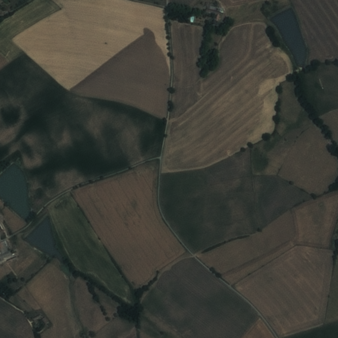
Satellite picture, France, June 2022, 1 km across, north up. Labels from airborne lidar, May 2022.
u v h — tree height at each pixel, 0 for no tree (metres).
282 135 0
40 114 0
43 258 0
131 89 0
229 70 0
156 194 0
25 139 0
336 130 0
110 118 0
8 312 0
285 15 0
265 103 0
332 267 0
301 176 0
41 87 0
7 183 0
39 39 0
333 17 0
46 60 0
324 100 0
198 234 0
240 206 0
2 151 0
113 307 0
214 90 0
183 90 0
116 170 0
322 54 0
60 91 0
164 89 0
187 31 0
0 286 22
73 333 0
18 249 0
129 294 0
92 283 11
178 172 0
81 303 0
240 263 0
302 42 0
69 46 0
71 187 0
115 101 0
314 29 0
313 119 20
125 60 0
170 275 0
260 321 0
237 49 0
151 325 0
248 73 0
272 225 0
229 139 0
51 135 0
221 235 0
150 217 0
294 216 0
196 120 0
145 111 0
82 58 0
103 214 0
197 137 0
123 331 0
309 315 0
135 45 0
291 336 0
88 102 0
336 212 0
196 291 0
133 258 0
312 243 0
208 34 27
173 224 0
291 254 0
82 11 0
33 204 0
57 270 0
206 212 0
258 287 0
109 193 0
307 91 0
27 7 0
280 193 0
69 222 0
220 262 0
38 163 0
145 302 0
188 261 0
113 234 0
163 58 0
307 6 0
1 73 0
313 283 0
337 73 0
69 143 0
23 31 0
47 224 0
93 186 0
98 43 0
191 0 0
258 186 0
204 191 0
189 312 0
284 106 0
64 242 0
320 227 0
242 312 0
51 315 0
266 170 0
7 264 0
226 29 31
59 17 0
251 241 0
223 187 0
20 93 0
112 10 0
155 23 0
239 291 0
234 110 0
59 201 0
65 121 0
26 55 0
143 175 0
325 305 0
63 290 0
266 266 0
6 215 0
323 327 0
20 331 0
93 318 0
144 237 0
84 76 0
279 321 0
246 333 0
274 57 0
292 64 0
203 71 19
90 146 0
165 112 0
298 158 0
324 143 0
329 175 0
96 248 0
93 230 0
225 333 0
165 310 0
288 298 0
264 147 0
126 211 0
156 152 0
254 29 0
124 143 0
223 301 0
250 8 0
